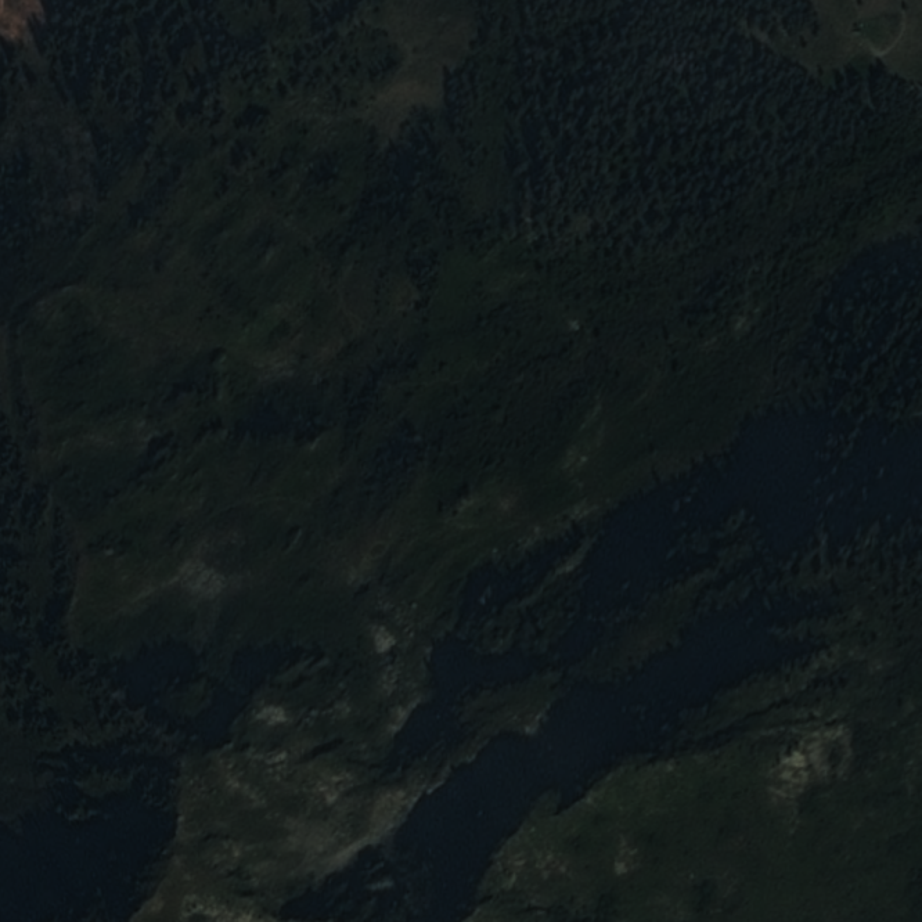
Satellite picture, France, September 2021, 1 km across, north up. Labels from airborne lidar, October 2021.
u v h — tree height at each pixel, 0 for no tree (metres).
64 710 0
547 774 7
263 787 0
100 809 0
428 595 0
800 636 0
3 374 0
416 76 0
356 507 0
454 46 0
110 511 0
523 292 9
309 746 0
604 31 16
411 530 0
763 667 9
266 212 0
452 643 0
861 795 0
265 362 0
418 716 0
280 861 0
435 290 10
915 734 0
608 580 9
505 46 6
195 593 0
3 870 0
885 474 8
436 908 0
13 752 0
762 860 0
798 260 8
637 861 0
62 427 0
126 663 0
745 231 10
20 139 0
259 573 0
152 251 0
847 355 9
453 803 0
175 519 0
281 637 0
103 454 0
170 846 0
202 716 0
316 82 16
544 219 19
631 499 0
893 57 0
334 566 0
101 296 0
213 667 0
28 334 0
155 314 0
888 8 0
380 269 0
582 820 0
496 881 0
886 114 27
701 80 27
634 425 0
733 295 11
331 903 0
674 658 0
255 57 12
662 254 7
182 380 0
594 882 0
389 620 0
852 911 0
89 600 0
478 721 0
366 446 0
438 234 0
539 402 6
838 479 9
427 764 0
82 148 0
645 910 0
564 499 0
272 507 0
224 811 0
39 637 0
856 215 13
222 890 0
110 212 0
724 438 0
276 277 0
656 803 0
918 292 26
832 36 0
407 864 0
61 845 0
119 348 0
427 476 0
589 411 0
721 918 0
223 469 0
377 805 0
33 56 0
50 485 0
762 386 0
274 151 0
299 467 0
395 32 0
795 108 27
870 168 6
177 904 0
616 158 10
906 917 0
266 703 0
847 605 0
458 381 0
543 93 6
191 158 0
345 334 0
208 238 0
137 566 0
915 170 17
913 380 16
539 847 0
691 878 0
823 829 0
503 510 0
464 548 0
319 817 0
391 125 0
